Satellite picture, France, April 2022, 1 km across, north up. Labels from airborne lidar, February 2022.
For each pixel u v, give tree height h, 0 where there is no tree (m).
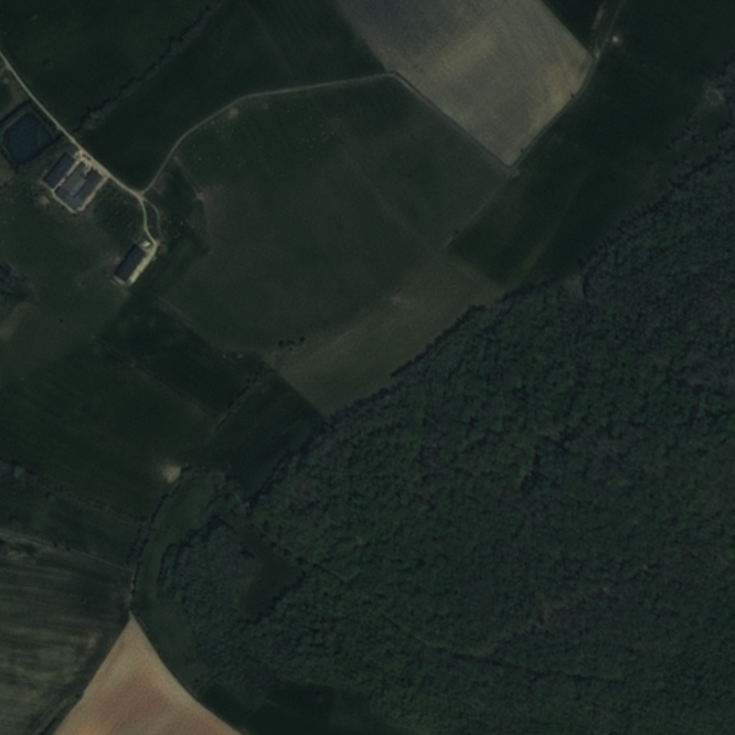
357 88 0
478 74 0
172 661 0
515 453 25
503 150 0
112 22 0
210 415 0
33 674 0
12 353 0
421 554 24
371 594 22
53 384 0
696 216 21
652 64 0
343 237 0
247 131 0
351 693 14
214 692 0
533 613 17
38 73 0
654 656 26
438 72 0
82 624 0
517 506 27
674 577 22
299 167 0
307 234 0
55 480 0
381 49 0
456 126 0
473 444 19
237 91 0
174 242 0
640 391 21
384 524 22
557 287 14
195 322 0
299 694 0
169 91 0
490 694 23
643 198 0
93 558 0
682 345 16
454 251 0
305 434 0
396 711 16
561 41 0
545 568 20
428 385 22
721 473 27
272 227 0
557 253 0
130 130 0
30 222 0
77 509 0
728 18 0
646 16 0
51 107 0
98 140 0
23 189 0
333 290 0
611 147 0
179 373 0
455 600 22
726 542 30
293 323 0
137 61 0
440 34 0
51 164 0
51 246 0
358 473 25
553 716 19
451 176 0
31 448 0
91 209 0
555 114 0
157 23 0
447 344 19
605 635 24
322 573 20
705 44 0
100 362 0
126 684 0
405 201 0
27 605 0
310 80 0
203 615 18
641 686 23
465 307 0
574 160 0
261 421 0
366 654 22
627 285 27
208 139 0
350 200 0
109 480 0
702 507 26
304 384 0
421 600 24
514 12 0
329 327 0
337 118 0
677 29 0
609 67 0
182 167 0
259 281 0
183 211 0
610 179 0
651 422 20
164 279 0
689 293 25
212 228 0
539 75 0
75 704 0
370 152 0
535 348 20
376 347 0
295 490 20
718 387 16
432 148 0
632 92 0
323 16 0
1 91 0
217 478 9
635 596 23
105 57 0
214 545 24
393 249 0
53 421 0
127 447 0
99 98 0
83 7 0
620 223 0
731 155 14
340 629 13
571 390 12
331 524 22
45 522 0
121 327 0
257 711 0
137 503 0
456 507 22
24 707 0
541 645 17
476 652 21
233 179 0
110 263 0
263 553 0
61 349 0
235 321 0
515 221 0
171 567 7
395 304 0
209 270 0
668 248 19
